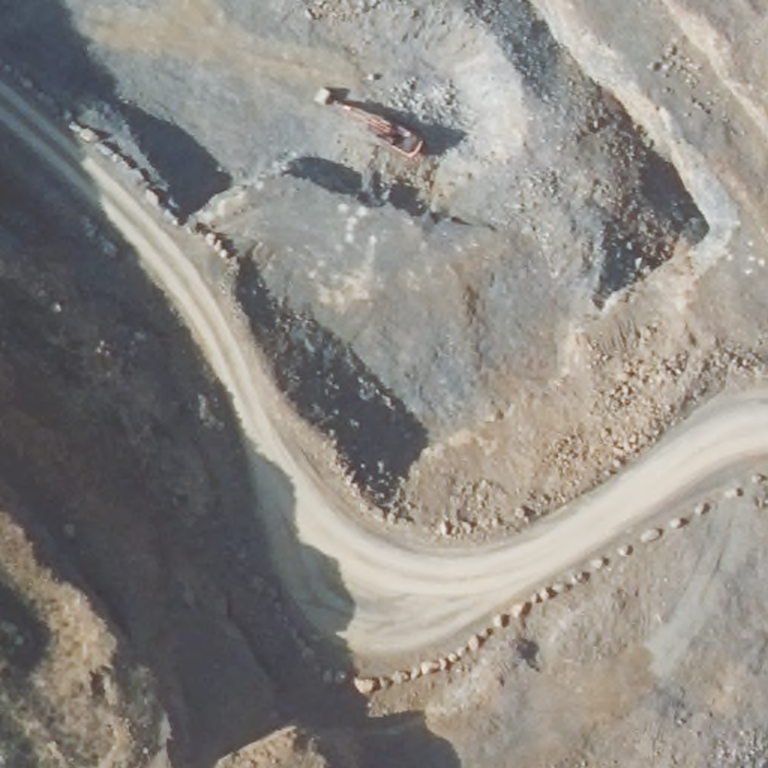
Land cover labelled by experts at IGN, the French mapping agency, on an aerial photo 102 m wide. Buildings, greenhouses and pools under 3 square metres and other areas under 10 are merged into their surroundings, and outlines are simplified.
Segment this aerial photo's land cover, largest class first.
<instances>
[{"label":"pervious surface","instance_id":"1","mask_svg":"<svg viewBox=\"0 0 768 768\"><path fill-rule=\"evenodd\" d=\"M0 513H6L15 525L24 528L36 564L51 570L57 582H66V588L57 597L60 609L48 615V624L51 657L39 663V669L33 672V684L63 714V732H78V753L99 756V765L93 768H135L129 762V726L117 717L120 693L114 684L111 654L132 672L138 666L150 669L156 690L153 699L165 708L171 723L168 756L156 753V759L147 768H768V0H0Z\"/></svg>","mask_w":768,"mask_h":768},{"label":"herbaceous vegetation","instance_id":"2","mask_svg":"<svg viewBox=\"0 0 768 768\"><path fill-rule=\"evenodd\" d=\"M0 567L9 576V582L27 600L36 603L39 618L48 624V615L60 609L57 597L66 588V582H57L51 570L36 564L24 528L15 525L6 513H0ZM114 684L120 693L117 717L129 726V762L135 768H147L156 759V753L168 756L171 723L165 708L153 699L156 690L150 669L138 666L132 672L111 654ZM6 660L0 657V768H93L99 765V756L78 753V732H63V714L33 684L21 693V699H12L3 681Z\"/></svg>","mask_w":768,"mask_h":768},{"label":"brushwood","instance_id":"3","mask_svg":"<svg viewBox=\"0 0 768 768\"><path fill-rule=\"evenodd\" d=\"M0 657L6 660L3 681L12 699H21V693L33 684V672L39 669V663L51 657L48 624L39 618L36 603L27 600L9 582V576L0 567Z\"/></svg>","mask_w":768,"mask_h":768}]
</instances>
